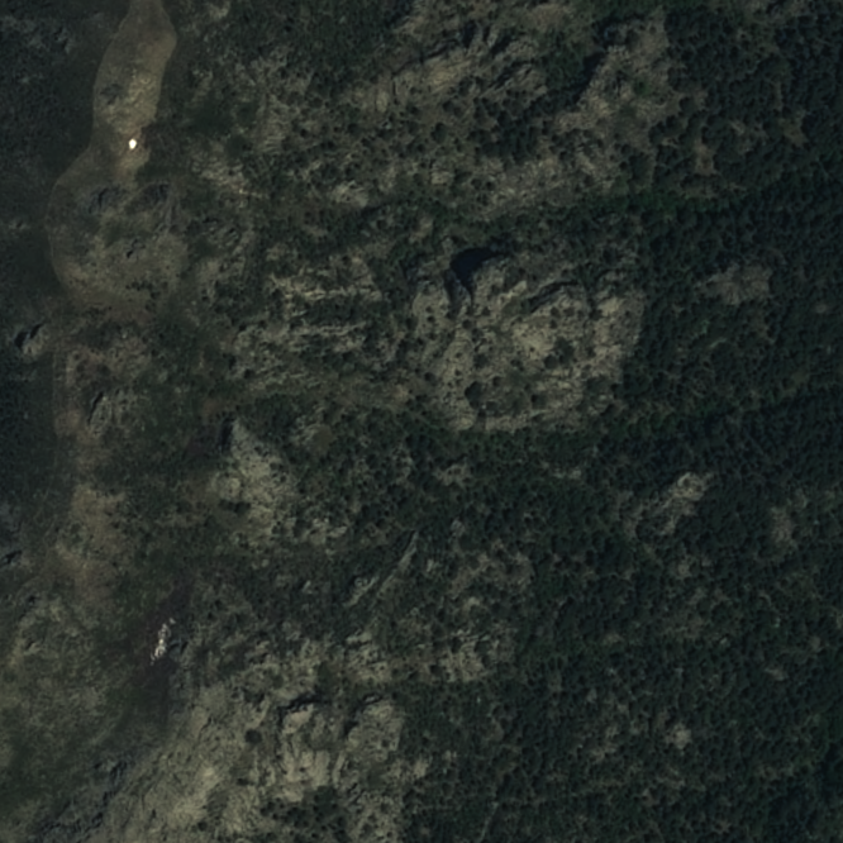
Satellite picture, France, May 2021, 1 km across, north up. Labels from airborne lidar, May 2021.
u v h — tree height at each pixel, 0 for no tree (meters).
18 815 0
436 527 10
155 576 0
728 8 11
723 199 11
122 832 0
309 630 11
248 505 12
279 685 7
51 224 0
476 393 23
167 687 0
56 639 0
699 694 13
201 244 0
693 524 37
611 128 0
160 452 0
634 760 17
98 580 0
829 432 12
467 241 15
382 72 8
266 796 0
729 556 15
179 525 9
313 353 13
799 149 28
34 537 0
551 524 18
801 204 29
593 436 11
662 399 25
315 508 8
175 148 8
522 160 25
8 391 7
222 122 0
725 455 9
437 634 14
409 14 9
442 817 20
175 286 0
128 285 7
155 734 0
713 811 22
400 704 7
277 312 9
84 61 0
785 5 14
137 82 0
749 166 23
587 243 19
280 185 12
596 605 20
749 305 21
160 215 0
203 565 11
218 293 10
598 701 10
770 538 20
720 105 28
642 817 14
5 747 0
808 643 19
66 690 0
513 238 12
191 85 6
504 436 17
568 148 13
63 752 0
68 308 0
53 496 0
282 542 12
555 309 9
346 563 11
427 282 8
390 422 11
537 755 26
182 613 8
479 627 7
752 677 31
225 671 8
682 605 17
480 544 9
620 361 7
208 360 10
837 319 15
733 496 26
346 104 6
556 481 18
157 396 0
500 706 12
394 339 18
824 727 11
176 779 8
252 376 23
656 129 16
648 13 7
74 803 0
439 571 7
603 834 14
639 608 15
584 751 18
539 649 23
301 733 0
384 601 13
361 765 7
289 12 7
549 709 16
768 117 26
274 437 9
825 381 15
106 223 0
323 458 7
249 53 7
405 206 7
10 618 0
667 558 19
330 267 9
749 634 17
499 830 16
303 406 10
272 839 12
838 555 10
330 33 8
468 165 0
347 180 9
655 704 6
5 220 0
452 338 10
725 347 25
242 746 0
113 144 0
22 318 0
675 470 15
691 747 18
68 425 0
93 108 0
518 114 14
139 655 0
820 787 10
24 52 6
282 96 12
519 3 10
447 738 12
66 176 0
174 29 0
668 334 32
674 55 26
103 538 0
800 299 16
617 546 29
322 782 0
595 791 8
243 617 13
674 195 16
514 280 15
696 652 26
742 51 27
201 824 15
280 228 9
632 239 13
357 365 17
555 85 12
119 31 0
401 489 25
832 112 25
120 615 0
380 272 12
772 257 21
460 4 9
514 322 0
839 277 20
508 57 14
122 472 6
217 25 6
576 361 7
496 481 9
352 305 7
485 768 18
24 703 0
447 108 20
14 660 0
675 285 20
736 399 14
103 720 0
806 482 7
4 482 5
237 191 0
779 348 15
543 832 9
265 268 10
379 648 7
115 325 10
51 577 0
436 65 0
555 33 11
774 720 27
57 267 0
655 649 23
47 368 0
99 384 10
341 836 12
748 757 25
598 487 24
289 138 10
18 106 8
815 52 31
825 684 34
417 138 8
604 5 17
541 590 19
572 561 33
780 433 33
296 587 11
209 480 0
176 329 9
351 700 10
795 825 13
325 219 13
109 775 0
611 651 9
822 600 8
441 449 25
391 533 10
